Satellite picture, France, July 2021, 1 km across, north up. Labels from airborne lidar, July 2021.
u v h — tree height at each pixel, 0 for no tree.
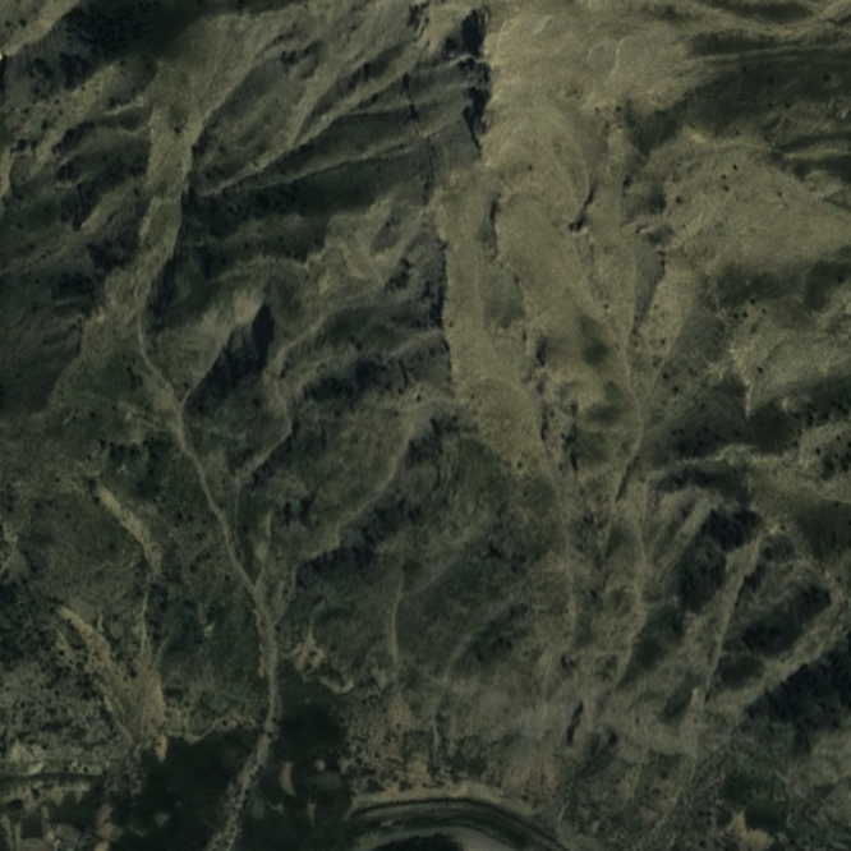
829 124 0
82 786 0
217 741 0
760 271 0
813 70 0
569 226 0
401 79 0
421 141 0
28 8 0
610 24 0
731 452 0
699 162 0
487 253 0
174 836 0
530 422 0
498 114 0
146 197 0
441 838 8
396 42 0
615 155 0
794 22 0
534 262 0
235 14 0
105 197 0
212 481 0
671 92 0
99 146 0
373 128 0
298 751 0
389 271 0
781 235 0
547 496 0
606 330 0
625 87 0
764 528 0
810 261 0
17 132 0
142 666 0
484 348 0
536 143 0
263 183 0
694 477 0
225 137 0
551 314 0
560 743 0
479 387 0
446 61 0
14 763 0
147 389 0
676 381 0
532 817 0
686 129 0
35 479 0
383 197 0
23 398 0
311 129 0
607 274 0
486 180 0
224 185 0
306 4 0
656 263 0
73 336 0
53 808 0
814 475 0
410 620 0
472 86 0
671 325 0
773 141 0
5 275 0
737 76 0
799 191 0
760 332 0
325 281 0
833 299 0
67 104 0
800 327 0
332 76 0
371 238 0
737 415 0
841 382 0
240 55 0
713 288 0
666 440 0
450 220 0
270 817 0
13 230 0
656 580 0
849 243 0
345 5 0
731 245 0
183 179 0
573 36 0
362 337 0
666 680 0
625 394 0
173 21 0
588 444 0
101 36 10
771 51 0
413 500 0
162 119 0
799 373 0
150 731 0
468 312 0
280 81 0
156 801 0
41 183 0
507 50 0
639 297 0
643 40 0
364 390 7
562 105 0
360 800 0
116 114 0
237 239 0
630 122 0
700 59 0
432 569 0
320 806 0
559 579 0
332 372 0
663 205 0
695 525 0
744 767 0
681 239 0
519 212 0
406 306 0
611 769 0
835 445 0
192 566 11
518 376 0
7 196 0
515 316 0
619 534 0
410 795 0
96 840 0
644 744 0
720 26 0
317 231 0
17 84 0
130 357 0
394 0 0
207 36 0
